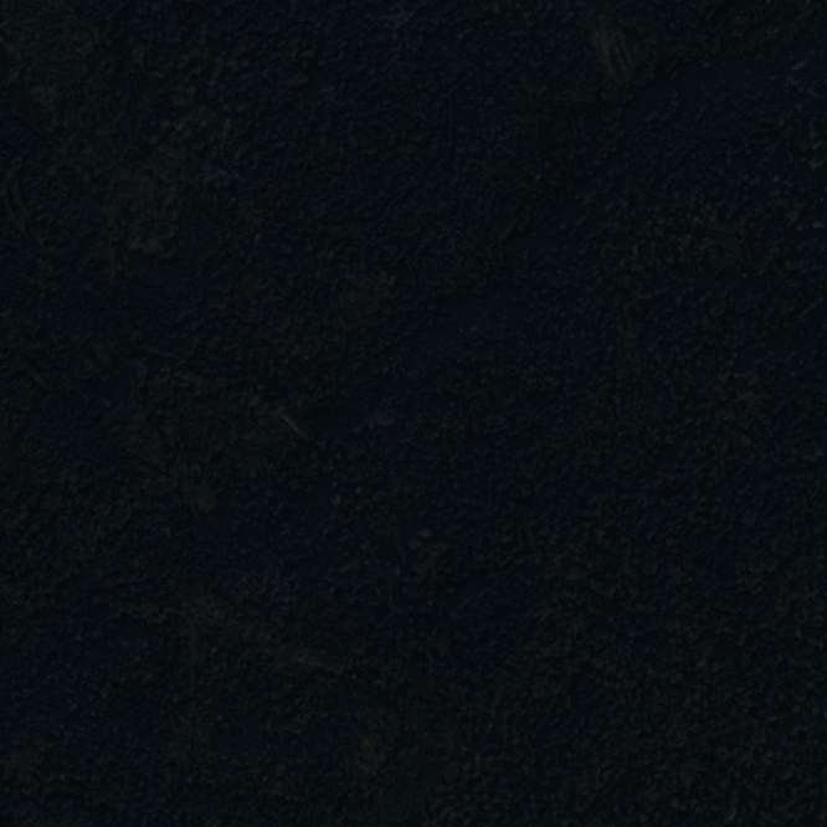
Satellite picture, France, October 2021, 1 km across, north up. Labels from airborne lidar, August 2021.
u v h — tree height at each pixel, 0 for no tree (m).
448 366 32
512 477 19
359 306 23
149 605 22
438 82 28
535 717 16
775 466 12
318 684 9
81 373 31
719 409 13
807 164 11
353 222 24
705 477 12
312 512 9
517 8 11
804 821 6
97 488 12
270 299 20
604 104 10
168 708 9
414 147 26
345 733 19
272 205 21
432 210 20
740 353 15
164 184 8
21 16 10
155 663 9
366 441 19
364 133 24
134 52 19
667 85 7
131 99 6
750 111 29
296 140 22
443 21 35
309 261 20
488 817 14
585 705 20
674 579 22
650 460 21
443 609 9
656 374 26
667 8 32
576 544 27
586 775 15
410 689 7
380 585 16
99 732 26
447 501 31
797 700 15
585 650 24
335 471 20
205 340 25
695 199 14
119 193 14
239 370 13
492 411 15
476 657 22
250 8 36
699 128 38
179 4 8
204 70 8
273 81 21
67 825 28
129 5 8
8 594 12
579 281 7
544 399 9
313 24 26
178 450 23
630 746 18
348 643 16
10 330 22
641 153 34
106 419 24
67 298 20
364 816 10
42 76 7
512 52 32
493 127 28
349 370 28
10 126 28
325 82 25
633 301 9
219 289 25
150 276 21
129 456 20
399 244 22
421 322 22
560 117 9
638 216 17
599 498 30
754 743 20
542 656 20
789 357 25
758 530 25
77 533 20
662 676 27
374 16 30
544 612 17
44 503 22
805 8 14
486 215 19
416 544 23
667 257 14
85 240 15
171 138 10
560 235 12
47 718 22
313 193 19
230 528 26
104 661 16
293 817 7
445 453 8
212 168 25
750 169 13
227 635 12
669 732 18
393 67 25
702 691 6
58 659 17
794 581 24
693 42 36
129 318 27
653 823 18
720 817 9
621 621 19
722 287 16
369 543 19
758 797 7
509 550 14
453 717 6
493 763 18
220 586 16
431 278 28
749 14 10
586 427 18
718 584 28
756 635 9
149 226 11
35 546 14
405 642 24
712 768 10
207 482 20
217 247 16
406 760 10
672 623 25
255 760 21
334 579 22
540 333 29
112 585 18
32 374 24
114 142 9
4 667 23
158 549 23
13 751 25
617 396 8
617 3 30
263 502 23
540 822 27
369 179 10
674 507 18
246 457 17
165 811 15
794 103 32
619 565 20
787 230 15
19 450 19
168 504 19
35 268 17
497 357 35
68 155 24
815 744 16
